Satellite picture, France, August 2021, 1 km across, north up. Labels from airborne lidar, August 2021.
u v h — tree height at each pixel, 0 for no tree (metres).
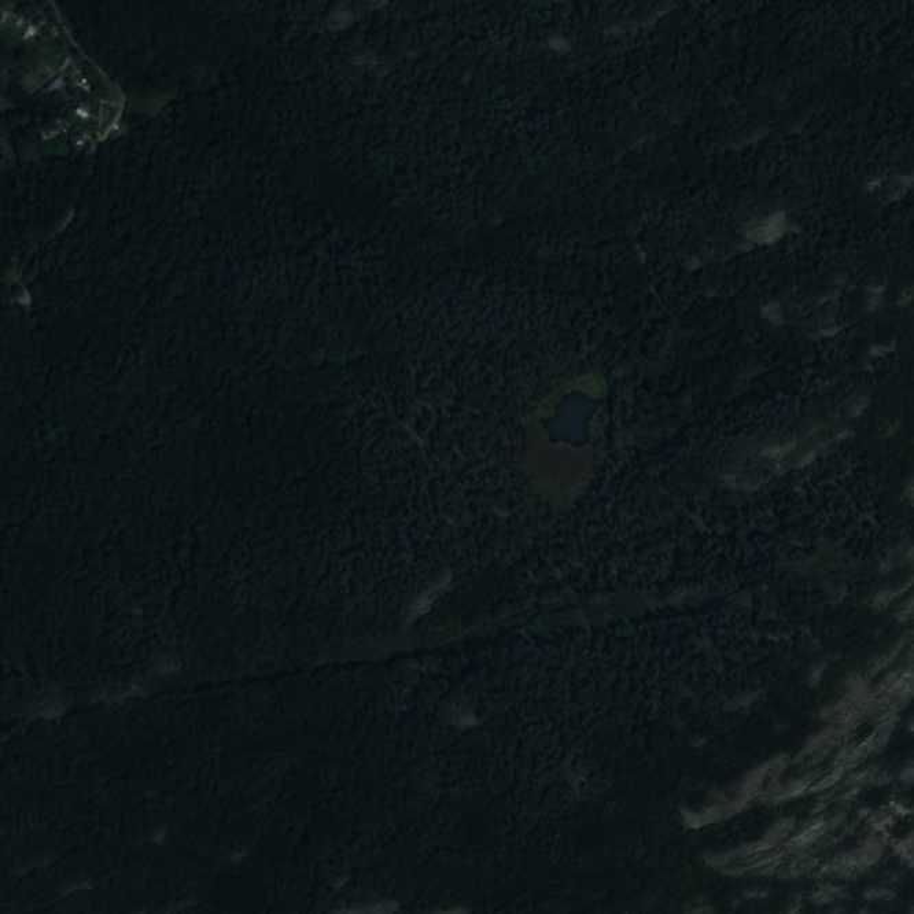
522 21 30
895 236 27
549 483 0
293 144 25
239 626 22
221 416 21
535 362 24
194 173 29
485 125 20
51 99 9
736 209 23
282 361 25
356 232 26
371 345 19
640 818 18
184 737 26
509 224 20
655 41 23
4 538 13
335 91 15
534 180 17
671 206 25
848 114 31
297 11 19
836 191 21
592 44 19
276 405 24
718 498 19
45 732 20
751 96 18
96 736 27
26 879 11
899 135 25
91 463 23
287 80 14
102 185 18
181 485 26
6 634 20
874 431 16
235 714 23
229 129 15
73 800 23
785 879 10
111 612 14
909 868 7
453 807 22
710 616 7
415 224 24
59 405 20
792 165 20
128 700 7
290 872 25
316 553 28
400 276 27
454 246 23
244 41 23
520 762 26
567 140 21
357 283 32
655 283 19
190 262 25
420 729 22
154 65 23
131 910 13
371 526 18
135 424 21
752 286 30
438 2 23
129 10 23
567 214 26
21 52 21
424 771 22
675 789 20
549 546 26
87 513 19
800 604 12
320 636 15
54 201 24
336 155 32
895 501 13
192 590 20
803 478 6
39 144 6
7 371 21
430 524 25
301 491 24
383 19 18
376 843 12
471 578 19
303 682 26
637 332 22
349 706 25
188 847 21
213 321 24
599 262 7
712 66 19
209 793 20
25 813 19
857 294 13
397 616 14
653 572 25
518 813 16
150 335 25
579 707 31
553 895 25
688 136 28
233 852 10
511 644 8
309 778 15
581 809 15
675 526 9
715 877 25
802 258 26
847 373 29
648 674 20
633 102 18
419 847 18
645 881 19
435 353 23
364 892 18
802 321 22
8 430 20
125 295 27
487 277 21
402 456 20
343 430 22
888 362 21
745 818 18
